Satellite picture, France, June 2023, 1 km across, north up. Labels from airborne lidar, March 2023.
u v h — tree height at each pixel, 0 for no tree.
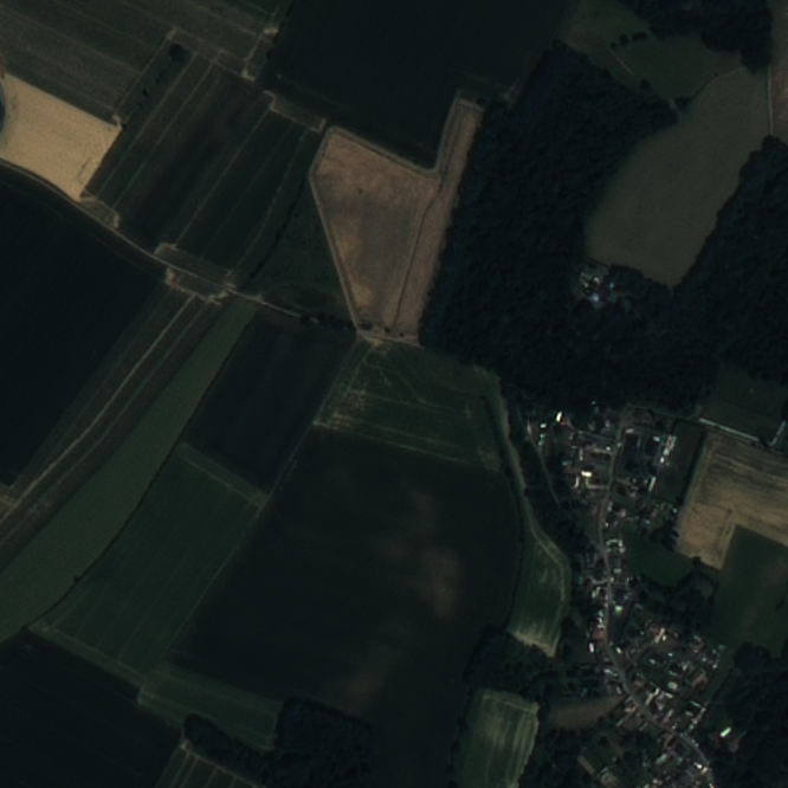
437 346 26
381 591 0
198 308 0
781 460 0
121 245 0
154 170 0
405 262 0
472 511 0
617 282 14
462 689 0
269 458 0
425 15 0
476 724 0
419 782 0
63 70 0
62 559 0
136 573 0
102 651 0
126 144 0
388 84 0
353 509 0
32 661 0
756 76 0
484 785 0
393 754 0
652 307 17
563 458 7
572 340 27
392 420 0
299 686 0
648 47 0
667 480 0
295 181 0
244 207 0
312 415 0
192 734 18
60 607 0
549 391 23
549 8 0
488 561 0
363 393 0
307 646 0
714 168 0
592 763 0
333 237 0
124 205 0
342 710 0
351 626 0
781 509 0
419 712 0
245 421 0
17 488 0
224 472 0
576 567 13
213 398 0
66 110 0
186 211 0
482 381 0
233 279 0
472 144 0
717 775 17
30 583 0
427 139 0
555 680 10
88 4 0
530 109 33
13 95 0
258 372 0
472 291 23
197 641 0
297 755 23
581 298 0
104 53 0
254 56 0
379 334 0
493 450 0
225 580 0
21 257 0
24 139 0
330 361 0
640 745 11
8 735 0
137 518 0
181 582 0
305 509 0
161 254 0
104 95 0
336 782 23
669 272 0
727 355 13
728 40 19
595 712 0
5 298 0
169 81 0
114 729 0
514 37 0
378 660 0
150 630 0
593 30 0
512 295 26
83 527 0
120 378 0
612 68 0
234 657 0
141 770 0
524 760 0
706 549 0
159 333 0
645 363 23
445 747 0
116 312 0
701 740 8
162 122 0
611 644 0
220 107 0
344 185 0
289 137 0
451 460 0
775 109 0
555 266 26
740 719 6
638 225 0
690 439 0
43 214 0
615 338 29
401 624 0
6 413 0
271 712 0
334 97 0
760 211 30
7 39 0
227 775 0
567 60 33
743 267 23
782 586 0
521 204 21
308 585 0
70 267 0
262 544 0
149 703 0
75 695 0
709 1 17
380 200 0
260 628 0
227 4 0
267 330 0
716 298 25
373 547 0
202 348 0
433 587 0
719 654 0
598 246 0
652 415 11
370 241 0
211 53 0
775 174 11
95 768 0
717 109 0
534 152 28
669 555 0
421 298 0
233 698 0
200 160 0
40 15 0
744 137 0
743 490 0
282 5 0
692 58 0
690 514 0
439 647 0
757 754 31
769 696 20
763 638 0
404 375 0
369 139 0
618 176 0
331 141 0
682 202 0
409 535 0
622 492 11
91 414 0
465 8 0
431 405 0
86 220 0
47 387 0
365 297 0
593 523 0
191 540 0
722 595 0
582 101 27
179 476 0
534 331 26
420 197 0
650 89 14
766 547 0
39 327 0
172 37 0
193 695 0
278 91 0
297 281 0
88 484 0
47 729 0
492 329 21
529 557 0
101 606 0
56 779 0
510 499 0
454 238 22
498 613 0
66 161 0
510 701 0
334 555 0
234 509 0
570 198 27
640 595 0
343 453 0
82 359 0
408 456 0
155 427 0
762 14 16
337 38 0
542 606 0
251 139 0
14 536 0
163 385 0
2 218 0
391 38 0
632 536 0
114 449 0
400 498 0
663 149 0
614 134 29
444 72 0
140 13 0
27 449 0
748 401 0
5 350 0
